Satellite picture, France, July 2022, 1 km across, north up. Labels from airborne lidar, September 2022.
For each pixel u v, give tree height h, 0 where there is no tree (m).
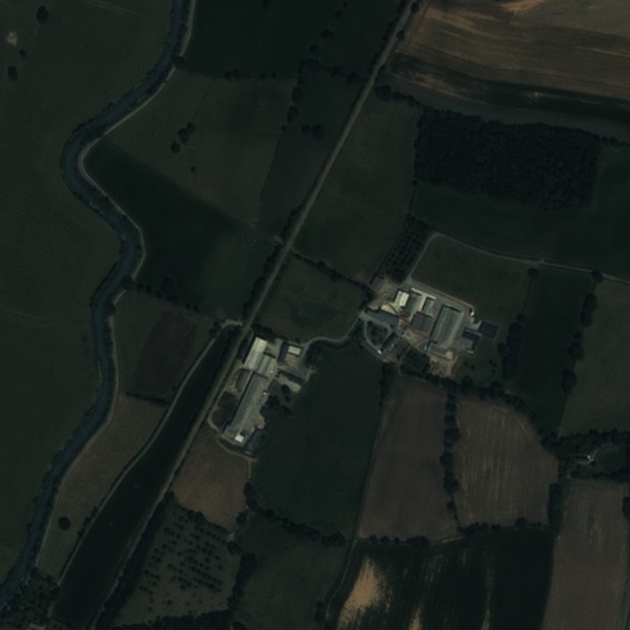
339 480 0
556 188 22
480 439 0
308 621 0
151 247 0
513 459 0
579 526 0
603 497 0
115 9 0
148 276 0
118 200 0
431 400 0
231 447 0
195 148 0
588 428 0
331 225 0
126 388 0
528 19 0
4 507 0
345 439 0
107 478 0
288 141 0
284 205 0
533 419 12
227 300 0
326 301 0
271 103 0
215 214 0
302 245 0
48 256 0
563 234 0
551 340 0
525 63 0
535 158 23
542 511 0
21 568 0
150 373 0
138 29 0
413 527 0
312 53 12
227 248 0
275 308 0
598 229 0
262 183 0
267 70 0
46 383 0
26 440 0
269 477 0
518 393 0
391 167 0
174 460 0
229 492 0
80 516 0
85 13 0
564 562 0
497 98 0
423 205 0
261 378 0
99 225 0
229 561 0
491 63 0
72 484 0
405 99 10
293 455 0
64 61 0
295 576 0
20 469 0
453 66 0
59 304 0
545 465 0
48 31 0
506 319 0
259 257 0
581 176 23
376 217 0
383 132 0
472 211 0
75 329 0
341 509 0
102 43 0
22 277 0
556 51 0
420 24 0
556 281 0
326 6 0
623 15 0
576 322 0
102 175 0
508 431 0
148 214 0
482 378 0
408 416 0
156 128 0
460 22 0
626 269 0
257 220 0
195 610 0
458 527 0
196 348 0
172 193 0
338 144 0
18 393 0
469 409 0
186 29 9
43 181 0
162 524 15
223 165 0
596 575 0
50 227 0
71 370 0
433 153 23
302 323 0
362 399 0
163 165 0
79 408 0
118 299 0
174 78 0
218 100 0
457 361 0
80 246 0
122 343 0
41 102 0
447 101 0
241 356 10
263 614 0
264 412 0
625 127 0
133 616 0
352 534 0
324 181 0
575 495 0
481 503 0
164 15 0
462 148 25
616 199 0
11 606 21
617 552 0
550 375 0
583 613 0
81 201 6
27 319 0
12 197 0
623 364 0
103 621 16
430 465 0
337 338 0
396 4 0
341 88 0
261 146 0
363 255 0
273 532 0
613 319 0
